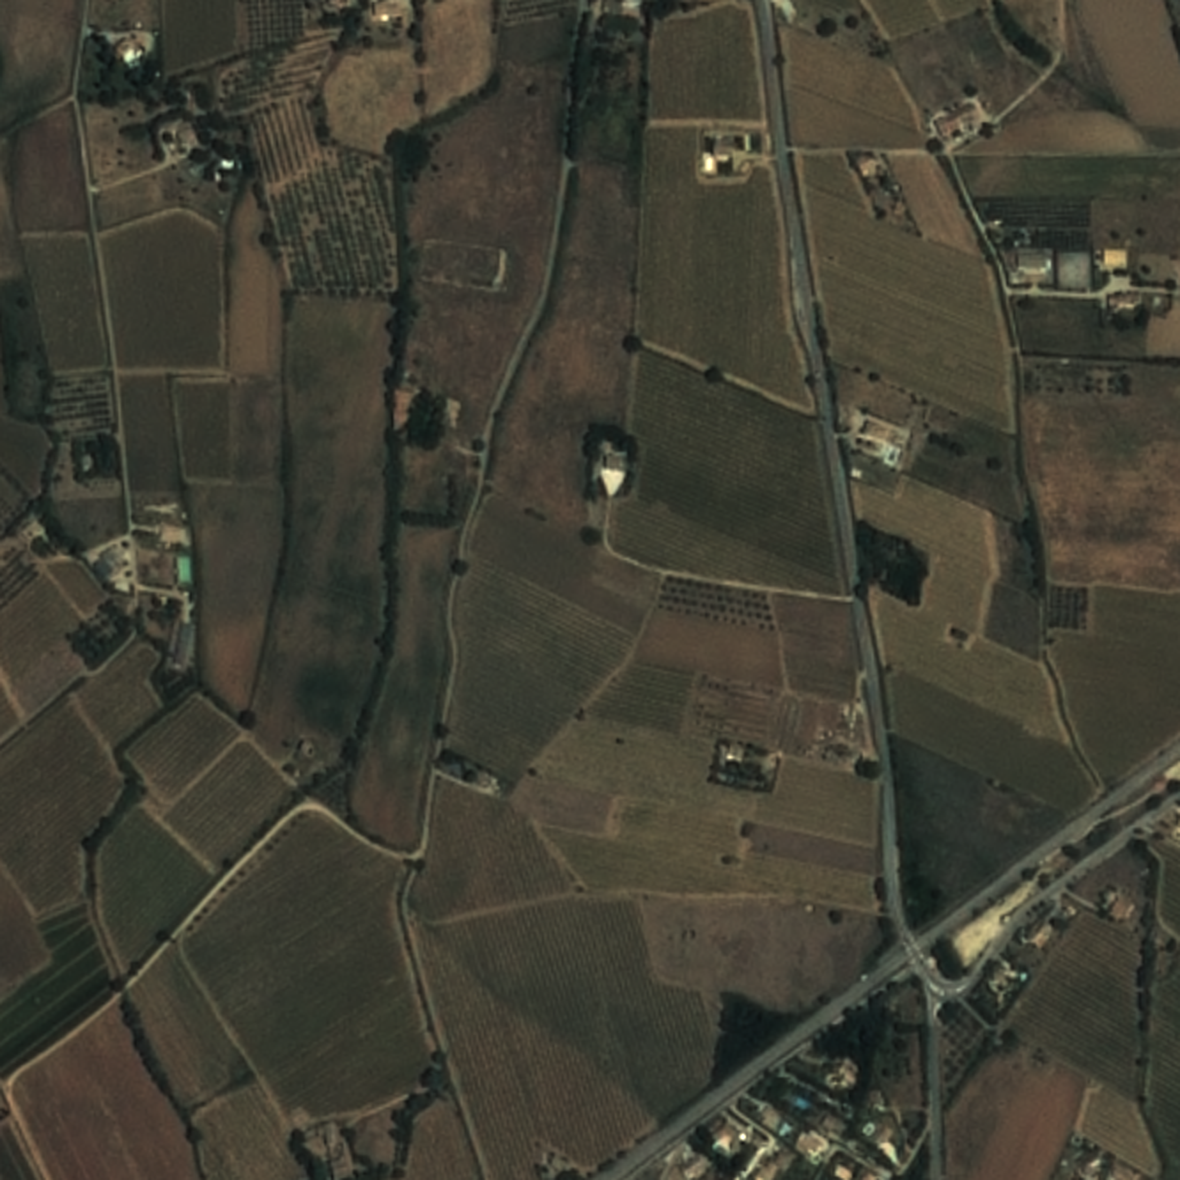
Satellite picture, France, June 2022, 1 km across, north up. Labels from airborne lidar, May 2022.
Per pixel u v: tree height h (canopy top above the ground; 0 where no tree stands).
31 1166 0
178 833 0
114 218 0
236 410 0
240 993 0
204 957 0
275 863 0
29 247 0
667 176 0
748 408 0
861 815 0
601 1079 0
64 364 0
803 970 0
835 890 0
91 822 0
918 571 7
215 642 0
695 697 0
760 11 0
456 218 0
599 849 0
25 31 0
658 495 0
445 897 0
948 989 0
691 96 0
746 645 0
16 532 8
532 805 0
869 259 0
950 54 0
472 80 0
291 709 0
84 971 0
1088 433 0
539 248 0
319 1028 0
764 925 0
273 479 0
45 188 0
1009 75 0
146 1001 0
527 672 0
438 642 0
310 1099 0
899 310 0
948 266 0
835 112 0
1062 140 0
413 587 0
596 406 0
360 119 0
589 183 0
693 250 0
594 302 0
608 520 0
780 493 0
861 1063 9
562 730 0
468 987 0
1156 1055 0
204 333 0
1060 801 0
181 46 0
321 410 0
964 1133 0
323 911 0
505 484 0
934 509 0
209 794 0
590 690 0
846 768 0
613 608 0
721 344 0
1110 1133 0
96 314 0
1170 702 0
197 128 11
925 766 0
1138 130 0
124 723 0
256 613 0
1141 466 0
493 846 0
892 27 0
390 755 0
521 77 0
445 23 0
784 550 0
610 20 13
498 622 0
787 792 0
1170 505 0
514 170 0
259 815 0
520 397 0
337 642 0
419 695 0
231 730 0
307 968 0
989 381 0
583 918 0
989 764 0
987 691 0
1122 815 0
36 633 0
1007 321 0
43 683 0
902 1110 0
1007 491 0
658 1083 0
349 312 0
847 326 0
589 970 0
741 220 0
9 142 0
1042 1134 0
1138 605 0
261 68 6
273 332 0
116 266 0
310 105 7
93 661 7
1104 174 0
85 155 0
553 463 0
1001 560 0
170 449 0
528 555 0
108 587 7
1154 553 0
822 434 0
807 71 0
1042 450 0
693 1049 0
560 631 0
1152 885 7
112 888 0
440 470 0
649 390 0
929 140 5
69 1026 0
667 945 0
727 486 0
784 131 0
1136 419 0
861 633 0
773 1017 7
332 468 0
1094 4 0
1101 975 0
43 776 0
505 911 0
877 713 0
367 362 0
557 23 0
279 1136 0
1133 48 0
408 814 0
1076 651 0
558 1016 0
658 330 0
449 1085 14
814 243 0
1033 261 0
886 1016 15
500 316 0
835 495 0
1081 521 0
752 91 0
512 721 0
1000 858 0
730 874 0
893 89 0
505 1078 0
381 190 7
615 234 0
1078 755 0
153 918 0
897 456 0
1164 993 0
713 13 0
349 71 0
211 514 0
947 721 0
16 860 0
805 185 0
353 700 0
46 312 0
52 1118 0
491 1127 0
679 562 0
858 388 0
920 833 0
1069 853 7
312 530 0
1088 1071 0
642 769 0
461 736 0
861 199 0
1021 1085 0
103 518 0
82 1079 0
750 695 0
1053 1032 0
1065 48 0
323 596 0
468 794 0
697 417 0
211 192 0
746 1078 0
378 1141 0
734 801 0
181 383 0
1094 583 0
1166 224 0
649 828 0
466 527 0
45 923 0
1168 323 0
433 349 0
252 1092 0
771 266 0
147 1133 0
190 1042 0
